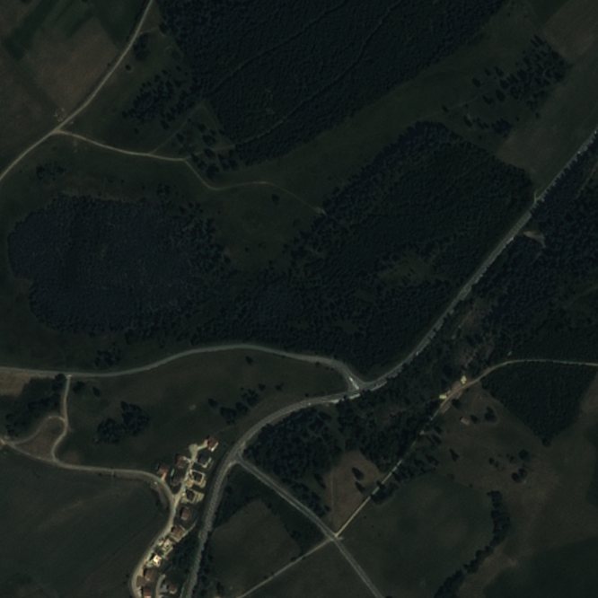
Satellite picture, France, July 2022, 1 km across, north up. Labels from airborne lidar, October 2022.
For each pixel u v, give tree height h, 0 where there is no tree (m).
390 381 13
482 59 0
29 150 0
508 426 0
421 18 13
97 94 0
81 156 0
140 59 9
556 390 8
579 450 0
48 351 0
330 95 13
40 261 6
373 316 11
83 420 0
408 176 8
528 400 6
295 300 10
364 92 13
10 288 0
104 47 0
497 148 0
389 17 13
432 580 0
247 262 0
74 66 0
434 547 0
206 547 12
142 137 0
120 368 0
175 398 0
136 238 7
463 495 0
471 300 9
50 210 6
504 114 0
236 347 0
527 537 0
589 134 0
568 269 30
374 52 16
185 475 0
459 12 12
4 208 0
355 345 10
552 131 0
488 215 10
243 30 16
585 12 0
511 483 0
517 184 11
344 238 10
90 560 0
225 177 0
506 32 0
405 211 8
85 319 9
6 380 0
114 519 0
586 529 0
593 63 0
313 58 14
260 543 0
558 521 0
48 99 0
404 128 0
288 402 0
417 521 0
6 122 0
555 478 0
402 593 0
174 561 9
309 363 0
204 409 0
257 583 0
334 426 0
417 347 0
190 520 0
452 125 0
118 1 0
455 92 0
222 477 0
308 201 0
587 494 0
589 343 6
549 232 27
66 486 0
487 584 0
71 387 0
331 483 0
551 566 0
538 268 31
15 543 0
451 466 0
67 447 0
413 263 0
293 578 0
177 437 0
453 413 0
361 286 10
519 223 0
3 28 0
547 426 8
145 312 9
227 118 10
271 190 0
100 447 0
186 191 0
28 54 0
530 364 7
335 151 0
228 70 8
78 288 8
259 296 8
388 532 0
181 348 0
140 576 0
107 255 6
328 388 0
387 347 12
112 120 0
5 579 0
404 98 0
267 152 10
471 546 0
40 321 9
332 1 14
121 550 0
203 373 0
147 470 0
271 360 0
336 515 0
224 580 0
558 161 0
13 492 0
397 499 0
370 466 0
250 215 0
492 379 7
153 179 0
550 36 0
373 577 0
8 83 0
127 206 8
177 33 30
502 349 10
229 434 0
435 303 12
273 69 13
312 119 14
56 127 0
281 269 0
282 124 8
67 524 0
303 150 0
